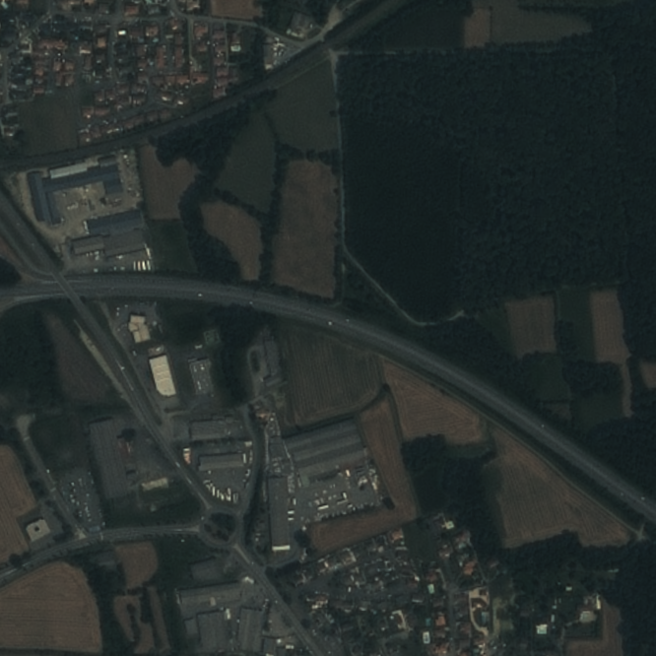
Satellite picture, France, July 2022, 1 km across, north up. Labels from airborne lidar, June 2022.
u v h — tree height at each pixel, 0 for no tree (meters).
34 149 0
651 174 30
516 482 0
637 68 29
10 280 22
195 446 7
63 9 0
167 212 0
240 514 0
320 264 0
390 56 9
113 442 0
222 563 0
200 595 0
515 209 29
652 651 11
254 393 0
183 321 0
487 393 0
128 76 6
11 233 0
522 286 25
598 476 0
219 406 0
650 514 0
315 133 0
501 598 0
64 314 0
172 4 0
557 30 0
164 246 0
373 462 10
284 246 0
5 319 0
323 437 0
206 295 0
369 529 0
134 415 0
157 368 0
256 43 8
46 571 0
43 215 0
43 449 0
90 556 6
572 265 26
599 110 31
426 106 30
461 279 31
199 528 0
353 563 0
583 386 19
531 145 33
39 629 0
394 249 10
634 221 29
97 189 0
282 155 23
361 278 15
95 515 0
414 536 0
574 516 0
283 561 0
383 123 14
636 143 34
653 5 28
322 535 0
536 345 0
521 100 31
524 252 28
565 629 6
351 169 9
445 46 0
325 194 0
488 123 32
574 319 0
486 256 29
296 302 0
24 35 0
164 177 0
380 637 0
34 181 0
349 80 23
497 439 0
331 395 0
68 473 0
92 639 0
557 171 34
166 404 0
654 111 33
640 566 17
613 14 23
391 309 16
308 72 0
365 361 0
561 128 33
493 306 8
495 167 30
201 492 0
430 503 0
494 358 25
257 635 0
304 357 0
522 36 0
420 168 15
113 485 0
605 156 32
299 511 0
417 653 0
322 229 0
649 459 19
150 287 0
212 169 25
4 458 0
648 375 0
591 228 37
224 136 20
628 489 0
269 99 14
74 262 0
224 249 15
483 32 0
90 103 0
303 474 0
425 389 0
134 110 0
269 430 0
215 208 0
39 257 0
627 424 20
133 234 0
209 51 0
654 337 30
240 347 7
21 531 0
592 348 0
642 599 19
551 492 0
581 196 33
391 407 0
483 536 16
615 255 35
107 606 11
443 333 14
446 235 9
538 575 11
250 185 0
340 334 0
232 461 0
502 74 31
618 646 0
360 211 7
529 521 0
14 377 15
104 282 0
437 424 0
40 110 0
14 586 0
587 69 26
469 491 24
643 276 23
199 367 0
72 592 0
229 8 0
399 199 9
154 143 20
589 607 0
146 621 7
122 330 0
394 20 17
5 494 0
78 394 0
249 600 0
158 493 0
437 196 16
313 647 0
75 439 0
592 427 0
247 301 0
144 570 0
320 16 12
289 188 0
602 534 0
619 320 0
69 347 0
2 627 0
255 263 0
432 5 15
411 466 11
